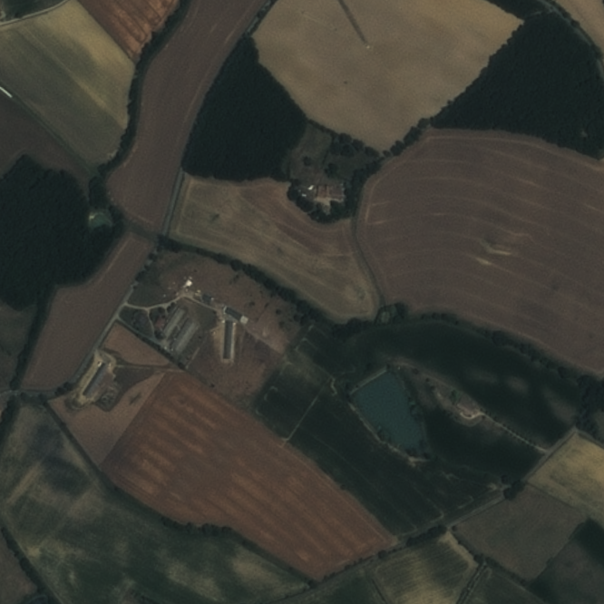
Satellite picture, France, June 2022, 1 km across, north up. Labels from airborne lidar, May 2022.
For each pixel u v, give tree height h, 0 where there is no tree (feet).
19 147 0
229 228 0
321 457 0
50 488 0
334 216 25
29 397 28
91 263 51
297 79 0
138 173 0
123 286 0
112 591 0
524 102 62
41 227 54
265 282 38
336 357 0
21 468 0
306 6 0
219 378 0
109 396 0
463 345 0
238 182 42
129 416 0
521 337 0
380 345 0
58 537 0
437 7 0
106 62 0
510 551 0
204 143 60
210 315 0
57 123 0
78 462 0
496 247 0
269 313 0
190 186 0
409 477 0
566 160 0
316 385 0
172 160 0
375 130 0
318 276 0
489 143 0
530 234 0
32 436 0
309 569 0
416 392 0
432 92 0
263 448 0
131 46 0
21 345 0
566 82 59
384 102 0
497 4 32
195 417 0
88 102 0
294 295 54
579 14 0
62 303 0
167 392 0
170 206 0
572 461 0
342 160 0
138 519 0
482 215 0
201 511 0
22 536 0
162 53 0
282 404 0
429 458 77
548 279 0
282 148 57
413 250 0
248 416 0
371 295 0
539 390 0
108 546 0
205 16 0
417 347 0
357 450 0
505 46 41
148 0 0
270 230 0
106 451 0
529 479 0
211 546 0
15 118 0
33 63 0
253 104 58
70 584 0
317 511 0
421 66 0
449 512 0
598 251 0
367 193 0
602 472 0
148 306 0
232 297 0
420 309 0
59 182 67
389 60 0
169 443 0
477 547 0
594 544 0
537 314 0
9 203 57
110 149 0
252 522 0
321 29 0
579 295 0
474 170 0
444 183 0
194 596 0
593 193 0
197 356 0
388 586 0
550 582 0
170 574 0
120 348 0
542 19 42
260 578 0
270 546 0
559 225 0
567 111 54
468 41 0
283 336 0
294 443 0
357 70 0
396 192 0
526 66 59
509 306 0
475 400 0
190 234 0
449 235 0
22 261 54
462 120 55
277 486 0
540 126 50
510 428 23
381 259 0
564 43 49
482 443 0
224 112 59
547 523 0
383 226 0
